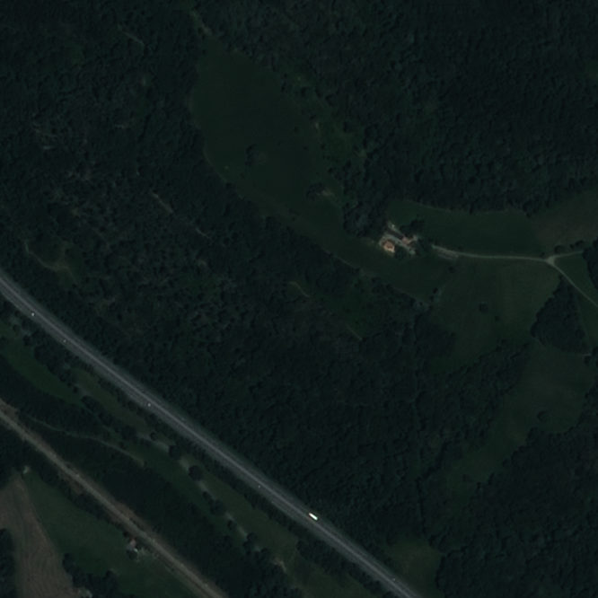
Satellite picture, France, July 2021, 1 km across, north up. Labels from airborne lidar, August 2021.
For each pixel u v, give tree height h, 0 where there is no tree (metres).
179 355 11
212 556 9
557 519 13
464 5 14
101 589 23
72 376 30
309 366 15
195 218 29
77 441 12
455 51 9
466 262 0
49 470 21
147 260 20
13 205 20
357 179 24
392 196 27
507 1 15
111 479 11
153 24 26
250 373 26
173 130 10
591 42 21
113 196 22
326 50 14
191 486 0
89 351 0
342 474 29
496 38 13
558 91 14
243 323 22
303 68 6
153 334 5
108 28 8
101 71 23
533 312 0
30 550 0
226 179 0
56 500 0
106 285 20
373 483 26
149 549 8
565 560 28
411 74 22
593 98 21
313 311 17
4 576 24
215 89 0
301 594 25
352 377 11
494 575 27
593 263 21
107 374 0
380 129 27
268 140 0
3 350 15
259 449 20
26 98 21
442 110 14
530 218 11
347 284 11
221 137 0
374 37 13
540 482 14
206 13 21
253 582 13
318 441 7
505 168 19
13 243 15
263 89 0
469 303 0
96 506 15
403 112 10
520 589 24
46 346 22
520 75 16
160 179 9
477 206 25
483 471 0
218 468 16
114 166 26
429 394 22
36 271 19
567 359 0
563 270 0
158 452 0
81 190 24
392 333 17
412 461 31
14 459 17
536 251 0
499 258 0
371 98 26
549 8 17
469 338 0
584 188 18
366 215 16
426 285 0
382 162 32
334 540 0
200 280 6
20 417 10
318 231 0
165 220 18
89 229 22
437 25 13
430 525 15
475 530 13
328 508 17
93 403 23
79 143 18
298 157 0
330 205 0
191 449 14
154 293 18
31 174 25
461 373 7
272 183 0
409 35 19
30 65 20
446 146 20
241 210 24
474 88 17
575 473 16
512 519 24
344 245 0
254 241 26
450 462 26
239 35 19
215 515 21
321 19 23
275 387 12
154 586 0
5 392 18
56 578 0
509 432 0
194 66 7
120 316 25
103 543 0
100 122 22
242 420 27
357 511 20
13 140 23
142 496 9
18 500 0
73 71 21
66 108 24
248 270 20
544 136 15
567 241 0
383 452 8
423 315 17
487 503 14
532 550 22
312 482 24
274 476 17
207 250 20
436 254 0
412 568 0
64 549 0
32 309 0
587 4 19
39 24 20
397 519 33
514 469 7
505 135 25
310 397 24
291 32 22
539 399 0
